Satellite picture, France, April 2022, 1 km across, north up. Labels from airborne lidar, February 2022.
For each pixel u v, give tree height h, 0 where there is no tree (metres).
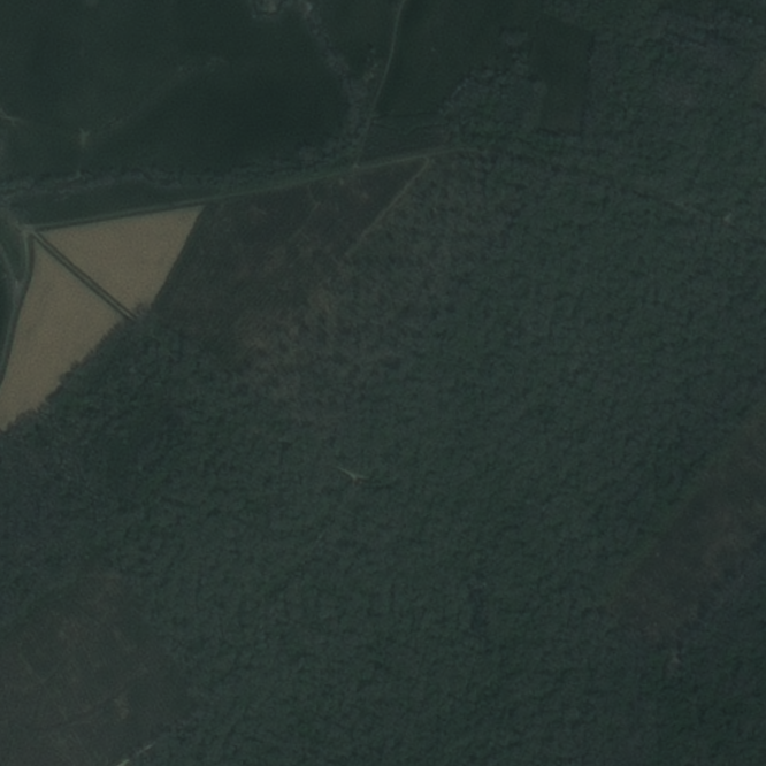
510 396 25
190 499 29
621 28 21
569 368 25
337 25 0
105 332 0
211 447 23
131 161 0
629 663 23
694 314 25
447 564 21
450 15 0
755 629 30
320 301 0
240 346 0
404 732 24
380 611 25
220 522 23
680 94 26
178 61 0
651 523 24
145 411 8
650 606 0
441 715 24
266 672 24
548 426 16
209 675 27
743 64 22
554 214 25
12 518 21
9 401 0
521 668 15
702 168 24
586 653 32
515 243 28
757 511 0
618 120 25
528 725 26
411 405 29
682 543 0
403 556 26
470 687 15
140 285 0
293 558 24
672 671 22
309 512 27
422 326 28
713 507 0
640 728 15
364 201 0
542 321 27
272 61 0
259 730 24
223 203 0
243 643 17
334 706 19
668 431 21
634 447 30
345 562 28
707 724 19
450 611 28
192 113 0
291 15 0
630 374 28
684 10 6
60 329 0
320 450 24
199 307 0
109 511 25
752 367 22
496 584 22
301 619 25
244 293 0
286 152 0
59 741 0
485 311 8
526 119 25
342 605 16
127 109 0
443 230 28
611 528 21
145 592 29
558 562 27
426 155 0
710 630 27
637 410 24
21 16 0
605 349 25
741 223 22
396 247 25
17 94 0
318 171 14
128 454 9
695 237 28
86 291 0
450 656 26
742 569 0
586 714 21
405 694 28
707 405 22
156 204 0
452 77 0
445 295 30
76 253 0
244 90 0
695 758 26
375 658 24
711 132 26
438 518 20
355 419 28
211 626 25
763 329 25
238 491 23
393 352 25
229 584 22
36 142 0
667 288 31
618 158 23
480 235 30
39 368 0
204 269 0
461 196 27
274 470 25
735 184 23
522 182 29
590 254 29
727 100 27
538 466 25
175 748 30
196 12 0
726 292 31
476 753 26
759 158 27
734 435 22
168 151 0
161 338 16
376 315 27
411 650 25
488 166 22
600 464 27
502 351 16
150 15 0
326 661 24
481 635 26
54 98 0
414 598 26
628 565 22
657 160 22
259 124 0
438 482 24
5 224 0
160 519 24
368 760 21
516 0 0
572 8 22
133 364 18
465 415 27
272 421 25
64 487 27
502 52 0
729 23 22
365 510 17
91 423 19
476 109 19
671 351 27
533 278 26
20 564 23
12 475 19
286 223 0
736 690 24
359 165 0
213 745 25
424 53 0
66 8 0
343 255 0
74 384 19
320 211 0
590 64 13
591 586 27
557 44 0
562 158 20
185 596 23
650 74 23
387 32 0
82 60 0
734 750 21
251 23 0
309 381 30
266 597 9
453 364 25
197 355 30
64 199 0
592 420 22
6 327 0
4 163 0
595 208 21
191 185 8
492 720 23
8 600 27
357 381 23
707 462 20
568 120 0
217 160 0
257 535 27
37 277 0
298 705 21
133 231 0
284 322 0
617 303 28
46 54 0
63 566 20
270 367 27
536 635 27
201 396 25
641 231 26
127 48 0
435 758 20
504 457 25
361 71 0
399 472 28
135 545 25
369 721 28
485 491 25
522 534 25
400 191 0
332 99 0
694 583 0
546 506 25
